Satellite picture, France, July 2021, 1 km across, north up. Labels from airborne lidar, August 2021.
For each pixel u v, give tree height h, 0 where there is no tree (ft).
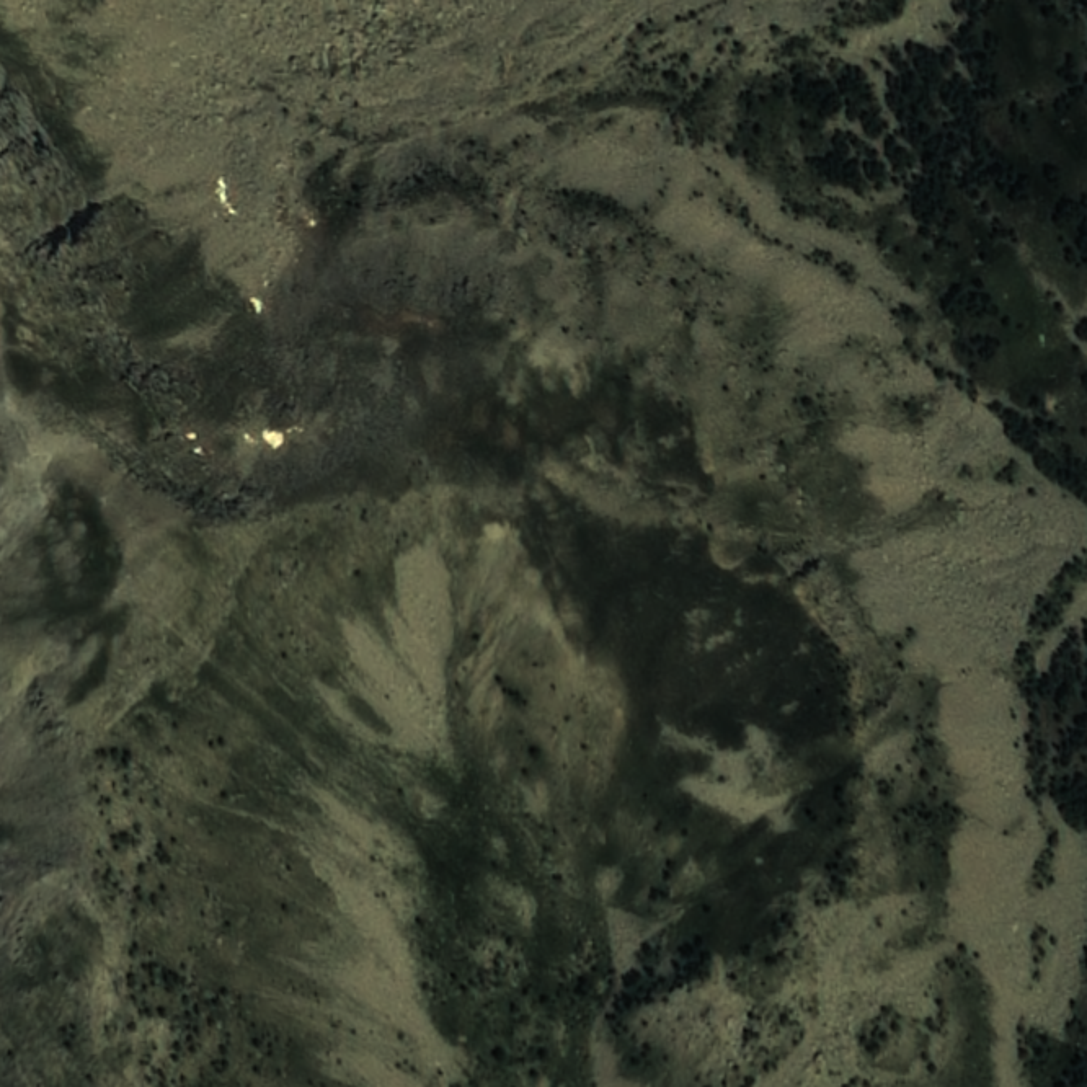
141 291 0
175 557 0
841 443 0
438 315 0
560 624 0
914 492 0
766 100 37
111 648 0
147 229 0
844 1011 0
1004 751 0
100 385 0
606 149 0
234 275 0
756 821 0
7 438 0
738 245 0
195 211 0
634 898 0
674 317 0
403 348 0
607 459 0
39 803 0
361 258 0
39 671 0
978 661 0
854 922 0
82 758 0
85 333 0
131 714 0
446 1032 0
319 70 0
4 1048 0
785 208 27
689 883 0
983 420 0
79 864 0
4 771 0
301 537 0
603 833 0
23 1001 0
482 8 0
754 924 0
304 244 0
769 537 0
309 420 0
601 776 0
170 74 0
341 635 0
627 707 0
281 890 0
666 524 0
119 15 0
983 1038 0
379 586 0
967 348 25
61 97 0
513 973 0
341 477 0
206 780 18
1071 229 0
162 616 0
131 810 0
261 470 0
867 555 0
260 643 0
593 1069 0
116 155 0
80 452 0
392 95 0
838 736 0
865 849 0
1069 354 0
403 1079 0
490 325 0
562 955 0
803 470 0
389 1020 0
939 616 0
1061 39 0
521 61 0
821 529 0
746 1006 0
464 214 0
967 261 0
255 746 0
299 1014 0
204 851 0
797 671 0
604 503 0
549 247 0
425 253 0
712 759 0
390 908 0
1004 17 0
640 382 0
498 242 0
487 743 0
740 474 0
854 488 0
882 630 0
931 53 73
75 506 0
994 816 0
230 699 0
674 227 0
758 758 0
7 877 0
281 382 0
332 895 0
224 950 0
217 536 0
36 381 0
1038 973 20
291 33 0
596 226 0
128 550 0
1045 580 0
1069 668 34
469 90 0
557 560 0
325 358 0
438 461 0
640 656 0
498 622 0
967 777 0
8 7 0
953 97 62
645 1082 0
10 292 0
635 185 0
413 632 0
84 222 0
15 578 0
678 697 0
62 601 0
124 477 0
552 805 0
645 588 0
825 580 0
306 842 0
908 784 0
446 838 0
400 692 0
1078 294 0
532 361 0
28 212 0
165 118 0
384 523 0
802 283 0
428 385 0
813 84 38
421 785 0
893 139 45
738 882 0
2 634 0
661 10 0
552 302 0
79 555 0
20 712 0
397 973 0
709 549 0
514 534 0
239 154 0
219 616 0
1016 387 0
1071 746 42
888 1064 0
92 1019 0
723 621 0
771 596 0
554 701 0
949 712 0
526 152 0
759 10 0
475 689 0
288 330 0
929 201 38
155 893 27
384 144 0
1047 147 0
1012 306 0
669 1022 0
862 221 0
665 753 0
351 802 0
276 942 0
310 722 0
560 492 0
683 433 0
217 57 0
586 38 0
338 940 0
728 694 0
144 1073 0
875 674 0
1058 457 26
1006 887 0
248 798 0
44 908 0
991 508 0
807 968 0
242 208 0
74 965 0
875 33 0
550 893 0
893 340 0
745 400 0
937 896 0
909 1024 0
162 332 0
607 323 0
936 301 0
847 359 0
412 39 0
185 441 0
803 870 0
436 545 0
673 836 0
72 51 0
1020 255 0
